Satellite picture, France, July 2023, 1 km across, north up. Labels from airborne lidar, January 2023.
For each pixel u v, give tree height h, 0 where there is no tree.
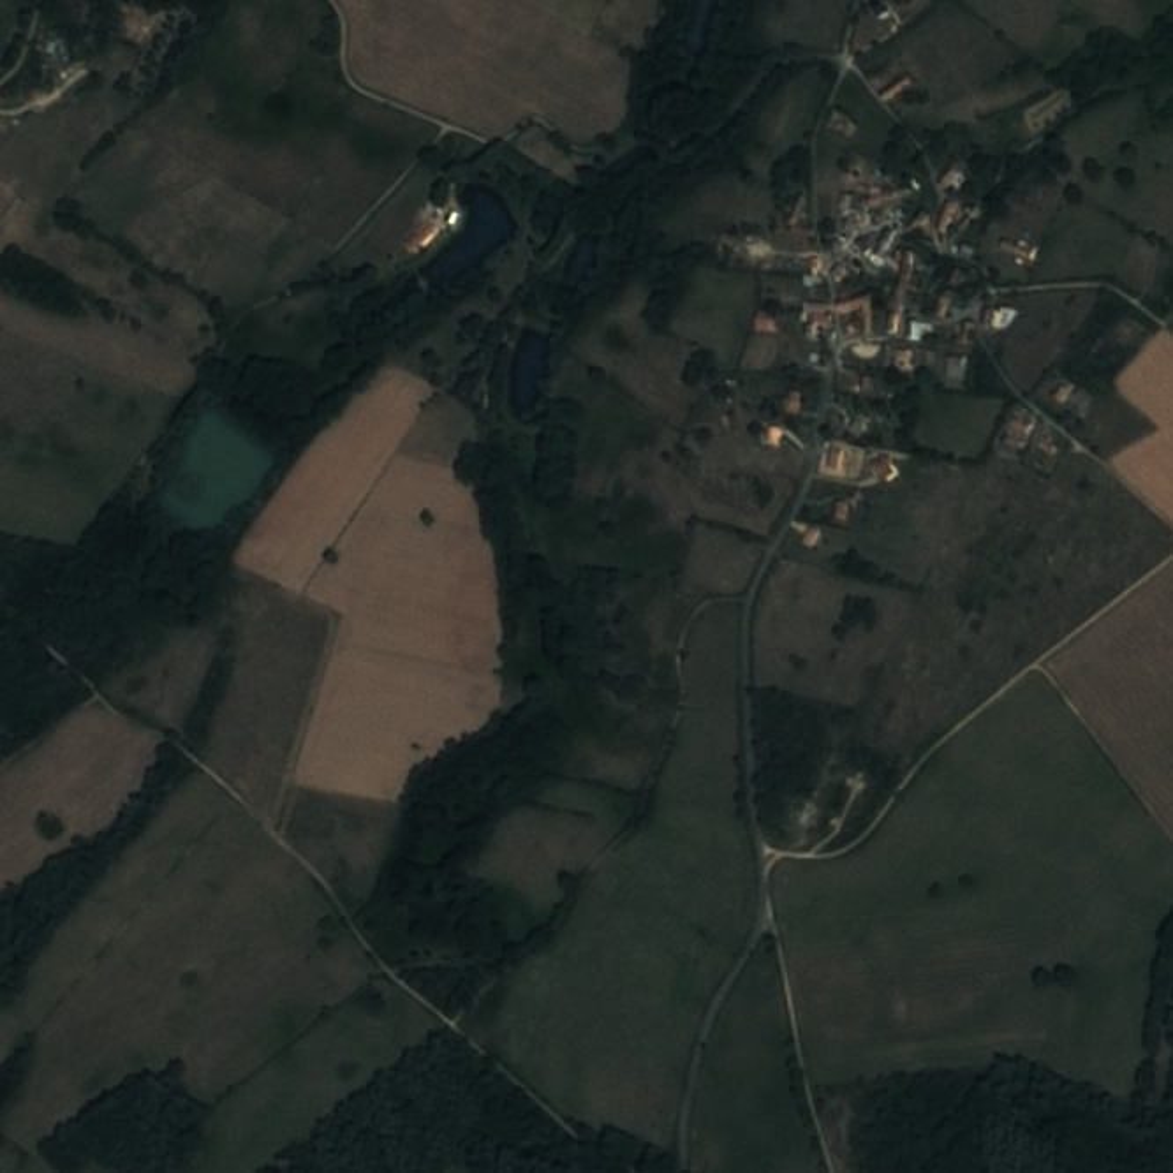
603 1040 0
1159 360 0
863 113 0
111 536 17
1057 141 14
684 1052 0
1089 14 0
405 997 0
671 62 33
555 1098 0
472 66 0
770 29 0
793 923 0
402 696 0
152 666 0
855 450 0
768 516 0
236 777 0
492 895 15
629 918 0
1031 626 0
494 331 13
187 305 0
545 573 21
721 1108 0
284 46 0
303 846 0
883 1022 0
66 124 0
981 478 0
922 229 9
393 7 0
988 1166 11
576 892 21
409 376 0
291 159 0
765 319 0
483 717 0
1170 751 0
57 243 0
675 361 0
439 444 0
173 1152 16
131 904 0
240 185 0
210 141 0
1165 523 0
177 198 0
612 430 0
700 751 0
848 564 8
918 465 0
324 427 11
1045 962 0
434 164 16
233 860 0
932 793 0
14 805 0
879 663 0
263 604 0
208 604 7
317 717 0
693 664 0
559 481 19
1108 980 0
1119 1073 0
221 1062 0
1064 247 0
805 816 0
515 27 0
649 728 0
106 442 0
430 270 0
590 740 0
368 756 0
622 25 0
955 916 0
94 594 16
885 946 0
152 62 9
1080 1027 0
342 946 0
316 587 0
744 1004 0
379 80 0
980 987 0
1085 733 0
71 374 0
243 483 0
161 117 0
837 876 0
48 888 15
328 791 0
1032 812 0
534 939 11
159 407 0
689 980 0
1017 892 0
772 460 0
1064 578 0
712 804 0
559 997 0
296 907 0
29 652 6
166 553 8
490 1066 11
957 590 0
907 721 0
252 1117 0
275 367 15
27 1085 0
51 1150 14
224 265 0
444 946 0
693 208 0
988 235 6
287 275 0
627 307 0
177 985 0
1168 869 0
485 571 0
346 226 0
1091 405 0
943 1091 14
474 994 11
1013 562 0
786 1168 0
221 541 7
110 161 0
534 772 9
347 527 0
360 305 14
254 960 0
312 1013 0
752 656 0
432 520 8
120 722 0
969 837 0
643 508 0
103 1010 0
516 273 0
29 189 0
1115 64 8
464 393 16
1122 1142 7
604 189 19
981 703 0
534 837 0
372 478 0
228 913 0
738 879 0
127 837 9
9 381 0
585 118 0
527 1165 22
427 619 0
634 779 0
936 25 0
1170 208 0
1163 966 16
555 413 16
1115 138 0
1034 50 0
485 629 0
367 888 0
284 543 0
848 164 7
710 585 0
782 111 0
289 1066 0
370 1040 0
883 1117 12
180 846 0
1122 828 0
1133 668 0
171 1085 16
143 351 0
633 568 0
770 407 7
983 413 0
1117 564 0
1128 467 0
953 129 9
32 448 0
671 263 12
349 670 0
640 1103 0
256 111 0
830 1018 0
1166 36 12
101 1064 0
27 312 0
